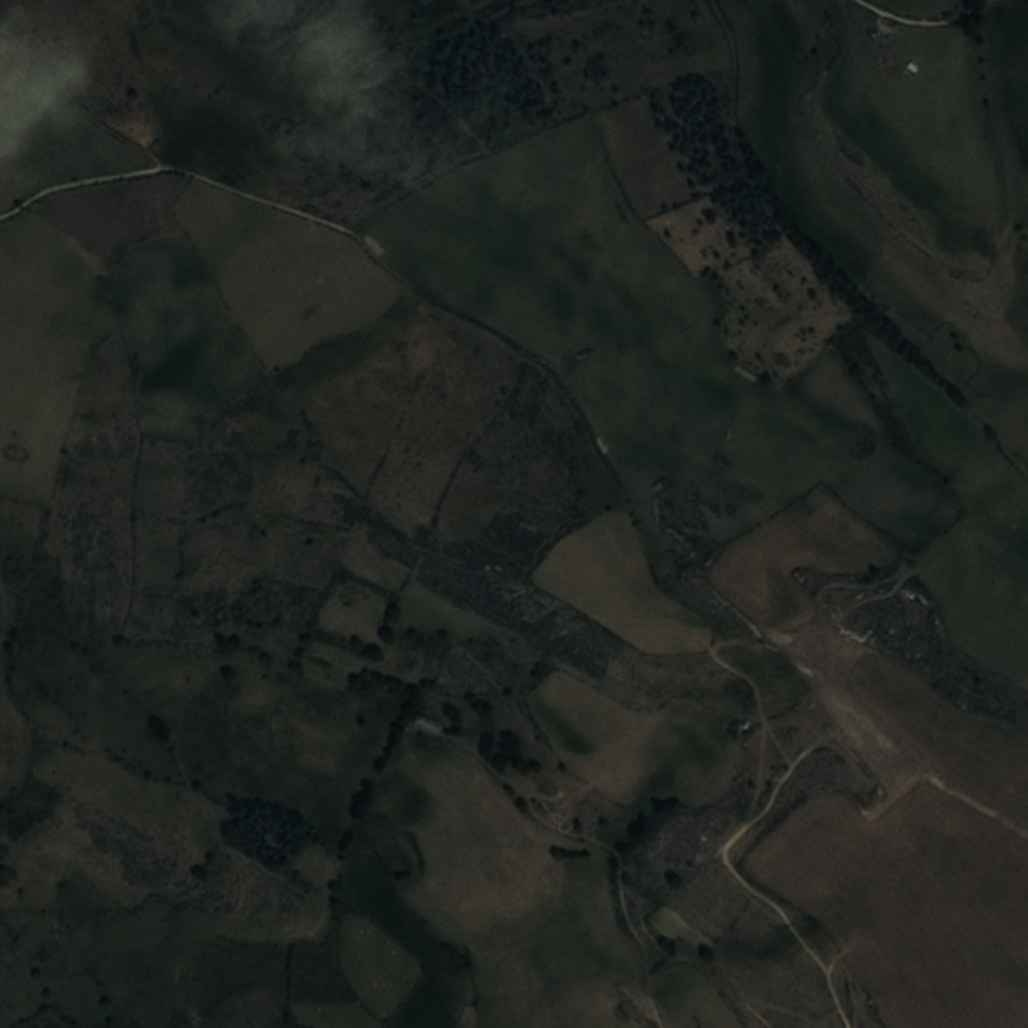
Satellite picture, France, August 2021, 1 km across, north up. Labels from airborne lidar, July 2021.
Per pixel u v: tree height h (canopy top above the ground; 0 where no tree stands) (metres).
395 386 0
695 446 0
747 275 0
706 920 0
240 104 0
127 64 0
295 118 0
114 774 0
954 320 0
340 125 0
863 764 0
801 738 0
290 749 0
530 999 0
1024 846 0
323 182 0
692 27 0
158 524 0
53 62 0
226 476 0
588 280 0
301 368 0
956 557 0
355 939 0
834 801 0
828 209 0
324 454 0
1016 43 0
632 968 0
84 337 0
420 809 0
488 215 0
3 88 0
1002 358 0
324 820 0
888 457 0
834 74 0
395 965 0
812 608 0
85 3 0
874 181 0
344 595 0
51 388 0
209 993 0
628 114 0
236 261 0
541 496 0
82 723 0
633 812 0
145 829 0
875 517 0
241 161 0
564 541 0
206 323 0
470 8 0
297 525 0
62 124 0
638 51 0
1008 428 0
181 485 0
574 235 0
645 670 0
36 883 0
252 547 0
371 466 0
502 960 0
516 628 0
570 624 0
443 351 0
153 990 0
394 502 0
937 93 0
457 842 0
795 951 0
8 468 0
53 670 0
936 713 0
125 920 0
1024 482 0
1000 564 0
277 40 0
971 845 0
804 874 0
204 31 0
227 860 0
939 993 0
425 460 0
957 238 0
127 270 0
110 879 0
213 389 0
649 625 0
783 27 0
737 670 0
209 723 0
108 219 0
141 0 0
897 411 0
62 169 0
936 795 0
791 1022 0
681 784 0
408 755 0
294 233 0
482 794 0
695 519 0
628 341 0
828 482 0
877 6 0
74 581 0
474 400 0
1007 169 0
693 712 0
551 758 0
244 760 0
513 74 8
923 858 0
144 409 0
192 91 0
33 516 0
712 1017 0
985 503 0
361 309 0
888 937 0
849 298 18
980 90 0
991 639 0
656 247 0
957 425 0
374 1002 0
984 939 0
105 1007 8
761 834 0
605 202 0
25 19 0
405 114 0
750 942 0
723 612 0
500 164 0
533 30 0
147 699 0
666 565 0
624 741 0
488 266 0
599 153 0
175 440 0
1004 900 0
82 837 0
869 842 0
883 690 0
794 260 0
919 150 0
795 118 0
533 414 0
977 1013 0
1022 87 0
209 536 0
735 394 0
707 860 0
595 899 0
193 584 0
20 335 0
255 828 16
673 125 15
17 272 0
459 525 0
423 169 0
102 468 0
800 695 0
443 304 0
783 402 0
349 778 0
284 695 0
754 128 0
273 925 0
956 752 0
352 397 0
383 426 0
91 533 0
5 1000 0
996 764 0
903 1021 0
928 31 0
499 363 0
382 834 0
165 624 0
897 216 0
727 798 0
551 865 0
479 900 0
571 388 0
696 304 0
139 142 0
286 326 0
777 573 0
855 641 0
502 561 0
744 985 0
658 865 0
